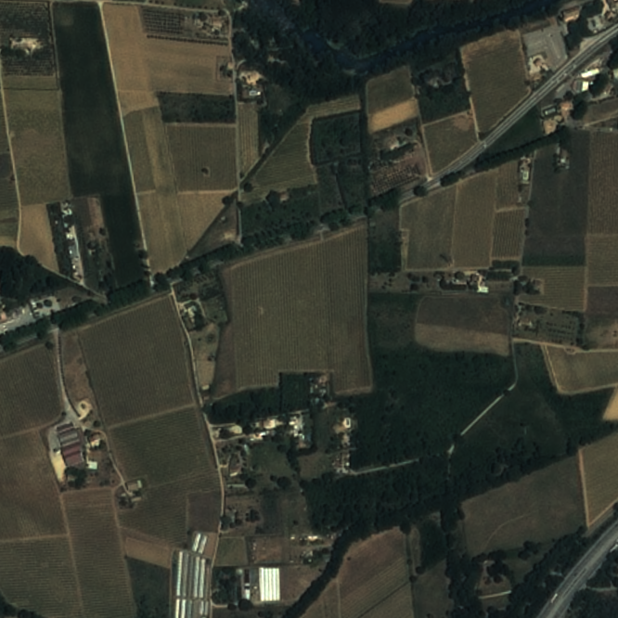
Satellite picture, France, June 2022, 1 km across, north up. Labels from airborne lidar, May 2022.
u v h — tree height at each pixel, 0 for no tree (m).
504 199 0
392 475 8
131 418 0
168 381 0
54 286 18
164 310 0
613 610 6
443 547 6
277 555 0
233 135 0
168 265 0
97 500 0
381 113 0
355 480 10
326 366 0
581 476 0
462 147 0
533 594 20
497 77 0
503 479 18
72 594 0
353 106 0
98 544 0
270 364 0
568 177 0
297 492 0
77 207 0
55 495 0
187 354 0
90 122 0
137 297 19
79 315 21
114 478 0
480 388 7
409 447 8
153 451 0
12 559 0
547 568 16
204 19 14
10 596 0
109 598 0
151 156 0
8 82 0
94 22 0
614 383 0
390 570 0
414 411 10
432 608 0
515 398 0
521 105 0
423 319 0
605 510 0
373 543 0
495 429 0
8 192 0
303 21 26
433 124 0
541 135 0
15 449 0
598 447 0
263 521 0
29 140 0
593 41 0
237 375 0
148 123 0
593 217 0
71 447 0
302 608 17
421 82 11
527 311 6
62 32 0
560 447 0
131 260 0
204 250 0
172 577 0
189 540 0
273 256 0
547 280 0
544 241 0
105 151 0
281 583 0
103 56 0
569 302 0
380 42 21
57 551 0
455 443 8
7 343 22
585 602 11
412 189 0
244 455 11
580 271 0
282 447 11
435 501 16
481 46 0
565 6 0
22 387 0
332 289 0
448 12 23
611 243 0
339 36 21
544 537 0
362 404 10
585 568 0
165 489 0
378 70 24
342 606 0
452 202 0
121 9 0
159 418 0
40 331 19
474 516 0
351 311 0
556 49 0
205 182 0
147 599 8
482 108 0
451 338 0
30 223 0
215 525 0
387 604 0
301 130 0
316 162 7
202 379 0
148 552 0
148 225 0
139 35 0
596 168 0
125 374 0
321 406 6
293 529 0
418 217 0
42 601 0
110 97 0
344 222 17
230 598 10
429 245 0
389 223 0
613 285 0
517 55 0
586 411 7
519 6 17
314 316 0
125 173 0
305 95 8
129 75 0
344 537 15
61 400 0
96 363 0
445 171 0
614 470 0
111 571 0
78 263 0
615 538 0
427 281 16
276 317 0
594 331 0
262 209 9
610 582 11
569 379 0
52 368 0
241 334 0
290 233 19
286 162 0
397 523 17
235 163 0
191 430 0
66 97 0
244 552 0
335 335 0
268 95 9
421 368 13
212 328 0
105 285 15
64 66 0
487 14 22
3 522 0
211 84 0
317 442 9
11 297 18
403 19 8
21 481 0
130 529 0
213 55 0
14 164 0
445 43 20
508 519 0
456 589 18
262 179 0
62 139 0
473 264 0
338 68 8
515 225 0
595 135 0
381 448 6
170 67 0
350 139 7
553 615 0
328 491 8
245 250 20
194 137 0
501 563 12
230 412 16
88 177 0
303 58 16
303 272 0
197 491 0
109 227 0
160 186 0
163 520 0
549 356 0
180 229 0
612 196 0
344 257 0
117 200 0
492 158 11
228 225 0
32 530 0
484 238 0
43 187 0
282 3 17
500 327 0
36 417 0
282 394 10
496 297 0
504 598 0
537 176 0
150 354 0
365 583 0
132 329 0
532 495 0
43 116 0
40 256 0
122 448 0
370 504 6
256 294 0
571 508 0
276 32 8
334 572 19
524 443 13
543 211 0
